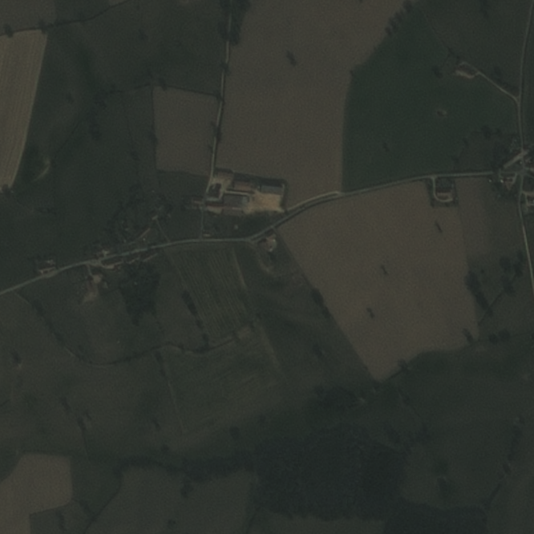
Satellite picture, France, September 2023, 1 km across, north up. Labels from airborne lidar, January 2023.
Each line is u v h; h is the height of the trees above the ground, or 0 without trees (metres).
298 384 0
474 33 0
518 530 0
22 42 0
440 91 0
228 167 0
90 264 0
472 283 21
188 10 0
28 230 0
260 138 0
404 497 0
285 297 0
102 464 0
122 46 0
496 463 0
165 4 0
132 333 0
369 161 0
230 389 0
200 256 0
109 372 0
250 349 0
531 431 0
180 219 0
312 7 0
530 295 0
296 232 0
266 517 0
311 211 0
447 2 0
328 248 0
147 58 0
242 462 17
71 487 0
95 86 0
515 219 0
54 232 0
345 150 0
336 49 0
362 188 0
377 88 0
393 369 0
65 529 18
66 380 0
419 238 0
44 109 0
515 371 0
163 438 0
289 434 0
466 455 0
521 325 0
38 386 0
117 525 0
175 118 0
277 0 0
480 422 0
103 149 0
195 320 0
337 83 0
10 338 0
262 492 21
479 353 0
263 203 0
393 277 0
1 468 0
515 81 0
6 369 0
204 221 0
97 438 0
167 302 0
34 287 0
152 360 0
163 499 0
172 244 0
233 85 0
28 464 0
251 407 0
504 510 0
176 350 0
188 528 0
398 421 0
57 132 0
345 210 0
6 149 0
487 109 0
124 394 0
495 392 0
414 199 0
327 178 0
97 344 0
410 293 0
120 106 0
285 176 0
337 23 0
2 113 0
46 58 0
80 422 13
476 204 0
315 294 14
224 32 23
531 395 0
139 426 0
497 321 0
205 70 0
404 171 0
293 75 0
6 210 0
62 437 0
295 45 0
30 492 0
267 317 0
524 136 0
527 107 0
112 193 0
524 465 0
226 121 0
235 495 0
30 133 0
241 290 0
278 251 0
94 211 0
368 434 19
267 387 0
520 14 0
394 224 0
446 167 0
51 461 0
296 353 0
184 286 0
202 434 0
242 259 0
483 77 0
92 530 0
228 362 0
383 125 0
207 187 0
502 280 0
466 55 0
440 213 0
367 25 0
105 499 0
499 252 0
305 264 0
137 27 0
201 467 23
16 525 0
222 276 0
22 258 0
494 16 0
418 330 0
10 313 0
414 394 0
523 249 0
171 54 0
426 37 0
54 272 0
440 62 0
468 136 0
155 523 0
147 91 0
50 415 0
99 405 0
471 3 0
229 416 0
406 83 0
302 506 22
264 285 0
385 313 0
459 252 0
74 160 0
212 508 0
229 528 0
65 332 0
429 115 0
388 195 0
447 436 0
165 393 0
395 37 0
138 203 6
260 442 0
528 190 0
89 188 0
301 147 0
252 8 0
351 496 18
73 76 0
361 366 0
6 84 0
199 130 0
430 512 14
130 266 6
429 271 0
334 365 0
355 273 0
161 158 0
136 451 0
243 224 0
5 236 0
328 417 0
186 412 0
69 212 0
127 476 0
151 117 0
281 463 25
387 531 11
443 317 0
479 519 14
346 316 0
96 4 0
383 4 0
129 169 0
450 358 0
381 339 0
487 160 0
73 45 0
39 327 0
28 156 0
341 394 14
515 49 0
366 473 6
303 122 0
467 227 0
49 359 0
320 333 0
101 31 0
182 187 0
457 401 0
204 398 0
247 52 0
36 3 0
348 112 0
